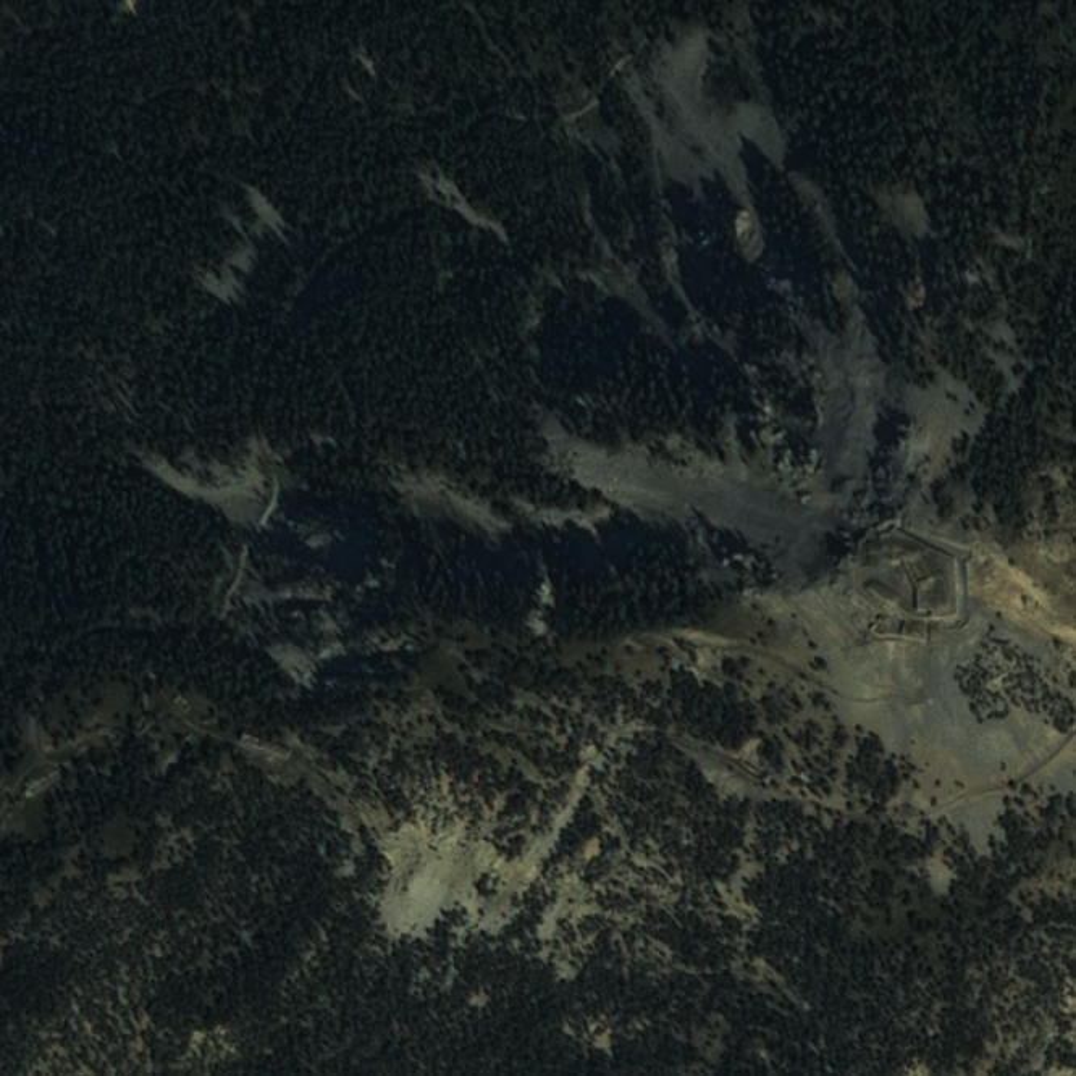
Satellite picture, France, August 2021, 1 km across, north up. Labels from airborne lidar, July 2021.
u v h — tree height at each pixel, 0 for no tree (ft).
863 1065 27
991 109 46
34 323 48
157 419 49
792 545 0
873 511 0
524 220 42
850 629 0
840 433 0
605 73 31
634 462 0
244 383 24
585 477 0
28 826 0
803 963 21
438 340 58
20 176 27
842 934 33
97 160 57
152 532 51
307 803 41
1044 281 26
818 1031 25
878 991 43
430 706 0
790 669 0
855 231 41
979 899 20
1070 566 0
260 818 28
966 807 0
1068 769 0
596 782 28
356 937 36
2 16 35
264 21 36
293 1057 31
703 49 0
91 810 43
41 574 21
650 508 0
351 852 27
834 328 30
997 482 33
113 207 39
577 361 37
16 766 45
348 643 26
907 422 0
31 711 37
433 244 63
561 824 0
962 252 23
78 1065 36
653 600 40
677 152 0
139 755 39
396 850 0
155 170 31
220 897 39
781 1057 24
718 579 0
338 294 52
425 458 59
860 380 0
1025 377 40
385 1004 30
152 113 27
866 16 56
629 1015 28
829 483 0
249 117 30
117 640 55
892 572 0
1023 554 0
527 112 28
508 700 31
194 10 46
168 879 33
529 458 32
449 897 0
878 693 0
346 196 47
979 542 0
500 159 55
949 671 0
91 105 33
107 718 0
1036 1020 22
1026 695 21
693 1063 21
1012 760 0
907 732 0
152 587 73
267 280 25
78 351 60
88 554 61
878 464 0
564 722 34
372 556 20
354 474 65
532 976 44
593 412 25
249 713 37
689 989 22
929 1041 26
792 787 28
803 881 44
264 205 0
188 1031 40
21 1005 30
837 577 0
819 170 29
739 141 0
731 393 45
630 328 33
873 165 58
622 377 59
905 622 0
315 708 36
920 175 73
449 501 0
